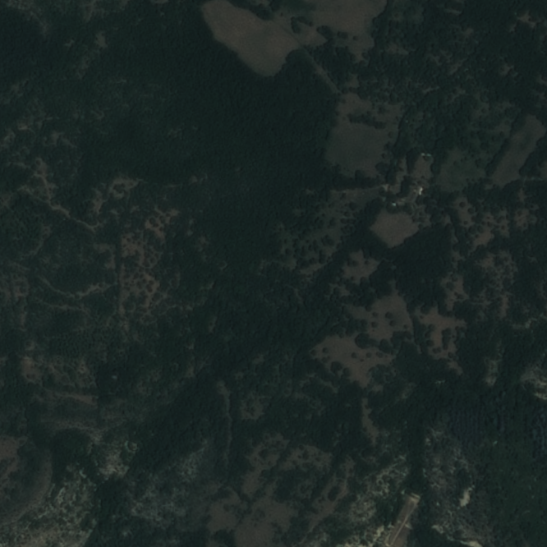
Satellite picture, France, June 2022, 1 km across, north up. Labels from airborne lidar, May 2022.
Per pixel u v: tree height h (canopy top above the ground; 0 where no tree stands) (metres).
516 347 15
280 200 16
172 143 9
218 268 6
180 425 19
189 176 9
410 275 11
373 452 11
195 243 10
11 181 9
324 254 11
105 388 13
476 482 7
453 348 0
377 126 13
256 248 12
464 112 12
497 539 12
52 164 6
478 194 9
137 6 9
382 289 12
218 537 11
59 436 10
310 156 15
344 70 11
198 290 11
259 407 0
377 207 13
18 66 9
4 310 8
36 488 0
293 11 0
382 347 10
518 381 7
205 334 9
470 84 5
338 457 11
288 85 15
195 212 11
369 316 0
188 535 8
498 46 13
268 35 0
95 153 8
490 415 17
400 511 9
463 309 11
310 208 11
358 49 0
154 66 10
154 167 9
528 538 7
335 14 0
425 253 11
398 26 12
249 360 8
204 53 15
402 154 14
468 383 12
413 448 14
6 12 9
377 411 9
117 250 6
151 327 6
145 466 6
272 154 12
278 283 7
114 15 9
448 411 6
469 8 10
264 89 18
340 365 9
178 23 8
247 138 14
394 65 8
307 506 7
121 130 9
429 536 13
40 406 9
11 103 6
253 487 0
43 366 7
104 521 13
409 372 11
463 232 10
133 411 10
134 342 10
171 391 9
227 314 9
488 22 10
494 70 11
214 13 0
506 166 0
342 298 9
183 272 6
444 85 11
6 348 7
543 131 0
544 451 19
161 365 8
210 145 10
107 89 7
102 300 7
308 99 13
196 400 14
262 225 11
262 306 11
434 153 13
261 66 0
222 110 14
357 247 8
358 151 0
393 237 0
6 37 15
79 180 7
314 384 8
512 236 7
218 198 8
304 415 11
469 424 15
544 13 10
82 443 11
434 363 12
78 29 10
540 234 11
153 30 10
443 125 10
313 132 14
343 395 13
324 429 11
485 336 7
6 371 8
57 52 11
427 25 11
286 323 13
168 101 6
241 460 8
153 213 6
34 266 7
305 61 13
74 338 8
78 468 8
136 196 8
